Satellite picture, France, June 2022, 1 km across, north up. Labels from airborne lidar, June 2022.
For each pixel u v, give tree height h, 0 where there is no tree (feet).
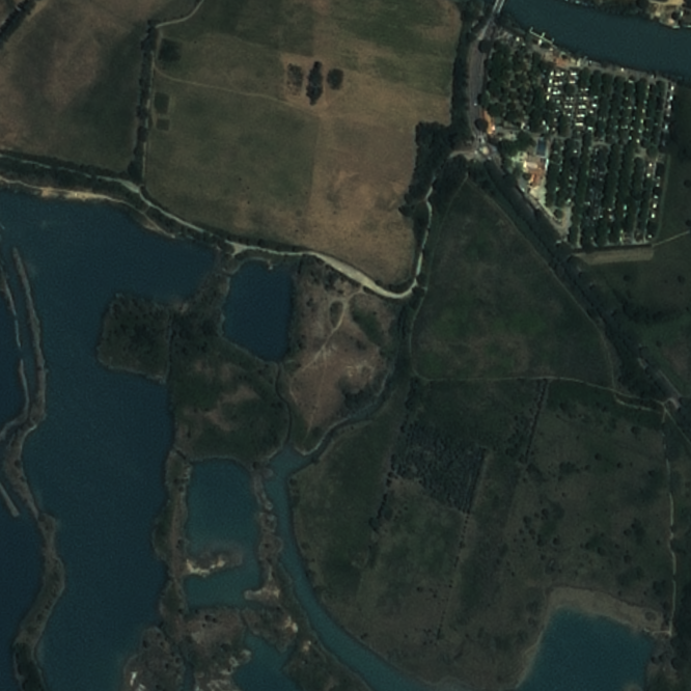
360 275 0
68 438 0
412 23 0
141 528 0
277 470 0
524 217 31
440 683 0
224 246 30
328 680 0
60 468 0
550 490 0
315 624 0
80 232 0
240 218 0
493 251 0
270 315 0
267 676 0
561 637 0
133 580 0
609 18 0
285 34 0
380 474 0
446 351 0
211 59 0
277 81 0
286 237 0
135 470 0
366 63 0
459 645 0
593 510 0
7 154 22
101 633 0
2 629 0
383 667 0
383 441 0
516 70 35
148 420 0
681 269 0
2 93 0
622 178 37
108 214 0
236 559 0
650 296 0
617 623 0
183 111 0
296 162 0
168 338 24
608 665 0
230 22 0
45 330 0
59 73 0
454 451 21
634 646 0
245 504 0
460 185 21
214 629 0
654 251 0
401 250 0
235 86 0
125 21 0
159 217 23
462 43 26
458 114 24
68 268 0
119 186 19
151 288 0
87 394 0
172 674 0
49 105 0
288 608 0
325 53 0
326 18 0
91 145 0
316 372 0
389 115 0
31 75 0
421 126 41
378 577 0
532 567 0
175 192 0
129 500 0
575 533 0
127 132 0
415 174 24
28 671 33
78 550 0
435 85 0
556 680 0
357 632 0
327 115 0
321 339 0
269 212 0
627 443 0
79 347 0
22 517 0
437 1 0
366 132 0
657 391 23
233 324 0
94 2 0
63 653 0
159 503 0
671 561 0
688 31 0
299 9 0
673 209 0
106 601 0
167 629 27
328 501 0
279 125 0
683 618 27
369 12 0
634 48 0
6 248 0
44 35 0
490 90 49
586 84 44
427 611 0
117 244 0
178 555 0
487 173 20
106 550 0
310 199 0
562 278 18
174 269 0
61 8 0
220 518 0
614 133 34
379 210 0
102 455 0
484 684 0
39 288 0
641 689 0
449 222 0
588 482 0
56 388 0
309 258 31
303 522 0
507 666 0
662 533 0
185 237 25
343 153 0
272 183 0
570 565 0
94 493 0
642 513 0
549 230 43
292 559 0
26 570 0
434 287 0
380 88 0
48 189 0
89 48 0
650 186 44
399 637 0
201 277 0
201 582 0
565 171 35
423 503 0
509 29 25
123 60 0
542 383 27
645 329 17
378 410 0
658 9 0
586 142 39
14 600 0
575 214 35
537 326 0
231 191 0
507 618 0
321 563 0
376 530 35
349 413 22
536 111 35
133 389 0
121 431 0
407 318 35
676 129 41
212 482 0
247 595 0
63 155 0
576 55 37
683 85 35
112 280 0
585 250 37
